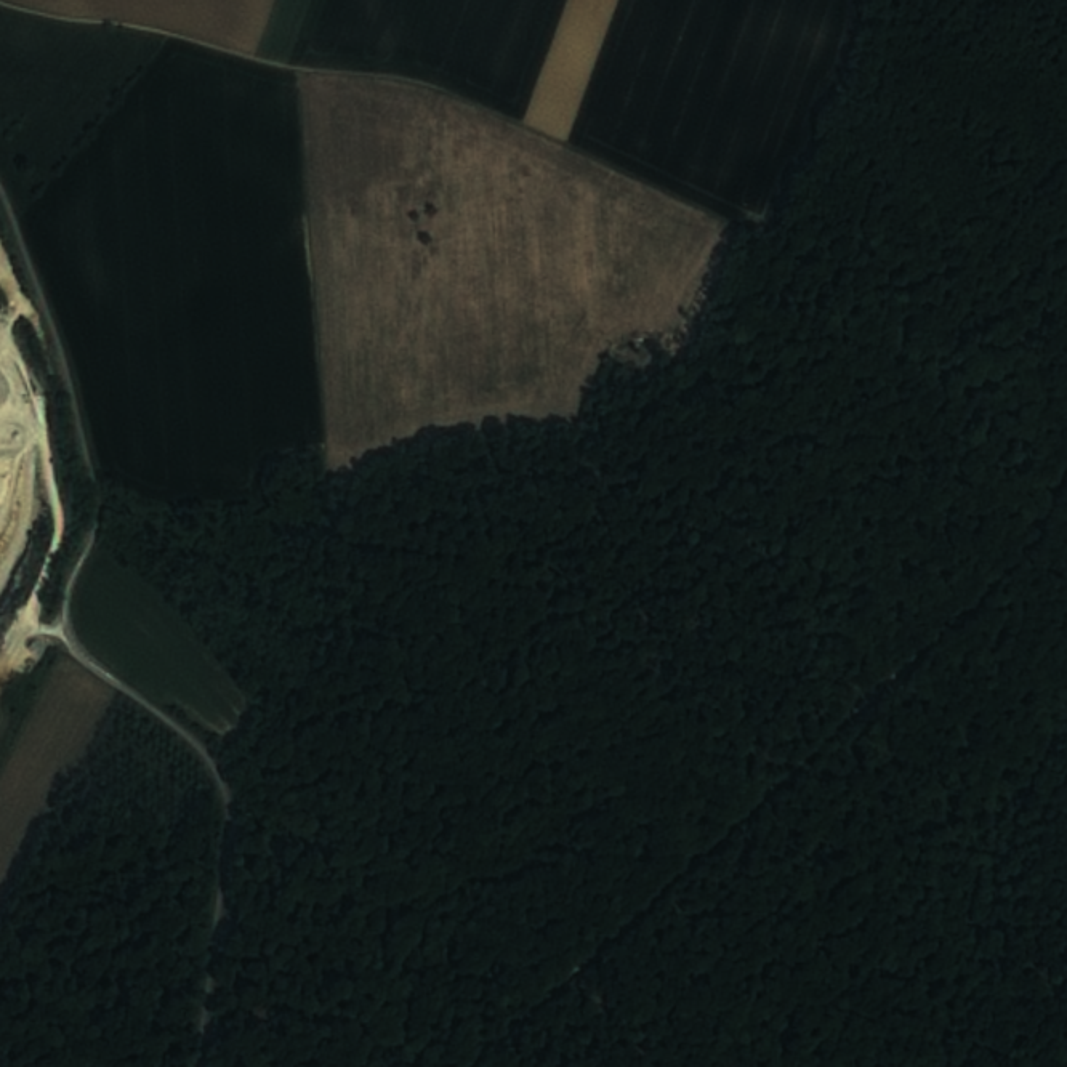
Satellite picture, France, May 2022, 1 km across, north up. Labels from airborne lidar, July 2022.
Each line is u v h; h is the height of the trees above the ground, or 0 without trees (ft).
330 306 0
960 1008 79
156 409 0
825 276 57
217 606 66
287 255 0
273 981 95
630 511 84
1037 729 108
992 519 92
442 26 0
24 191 0
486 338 0
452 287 0
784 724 93
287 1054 100
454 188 0
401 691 94
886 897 86
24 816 0
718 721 94
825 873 112
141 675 0
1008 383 81
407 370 0
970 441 97
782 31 0
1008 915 86
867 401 89
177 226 0
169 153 0
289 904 96
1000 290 71
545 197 0
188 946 105
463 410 0
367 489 76
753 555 96
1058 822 98
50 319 0
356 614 90
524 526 81
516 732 84
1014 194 44
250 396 0
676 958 95
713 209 0
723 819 79
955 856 82
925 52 74
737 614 65
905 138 66
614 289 0
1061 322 79
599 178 0
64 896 81
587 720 55
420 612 96
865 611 88
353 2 0
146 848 43
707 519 90
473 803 82
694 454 85
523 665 82
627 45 0
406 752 91
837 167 64
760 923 97
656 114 0
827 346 86
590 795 76
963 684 89
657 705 96
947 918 78
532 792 84
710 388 91
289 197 0
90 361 0
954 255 77
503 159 0
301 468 84
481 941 92
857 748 100
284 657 71
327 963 41
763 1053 101
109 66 0
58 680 0
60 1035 90
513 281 0
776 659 86
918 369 83
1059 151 55
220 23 0
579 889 89
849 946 100
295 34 0
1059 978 84
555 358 0
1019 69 56
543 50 0
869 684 87
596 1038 86
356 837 89
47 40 0
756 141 0
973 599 89
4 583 0
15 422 0
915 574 89
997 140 84
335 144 0
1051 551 95
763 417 87
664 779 90
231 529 31
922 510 99
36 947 96
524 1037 89
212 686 0
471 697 100
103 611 0
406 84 0
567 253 0
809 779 89
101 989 88
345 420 0
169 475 0
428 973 56
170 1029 92
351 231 0
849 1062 85
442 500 94
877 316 98
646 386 73
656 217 0
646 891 83
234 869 91
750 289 68
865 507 91
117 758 37
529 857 40
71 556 48
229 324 0
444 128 0
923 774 89
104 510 35
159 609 0
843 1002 96
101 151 0
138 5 0
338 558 82
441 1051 88
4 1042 93
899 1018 78
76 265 0
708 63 0
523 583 65
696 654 89
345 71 0
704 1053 102
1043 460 89
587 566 57
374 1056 84
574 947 89
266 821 24
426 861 102
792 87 0
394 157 0
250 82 0
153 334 0
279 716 70
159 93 0
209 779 29
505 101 0
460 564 91
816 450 93
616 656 94
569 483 84
